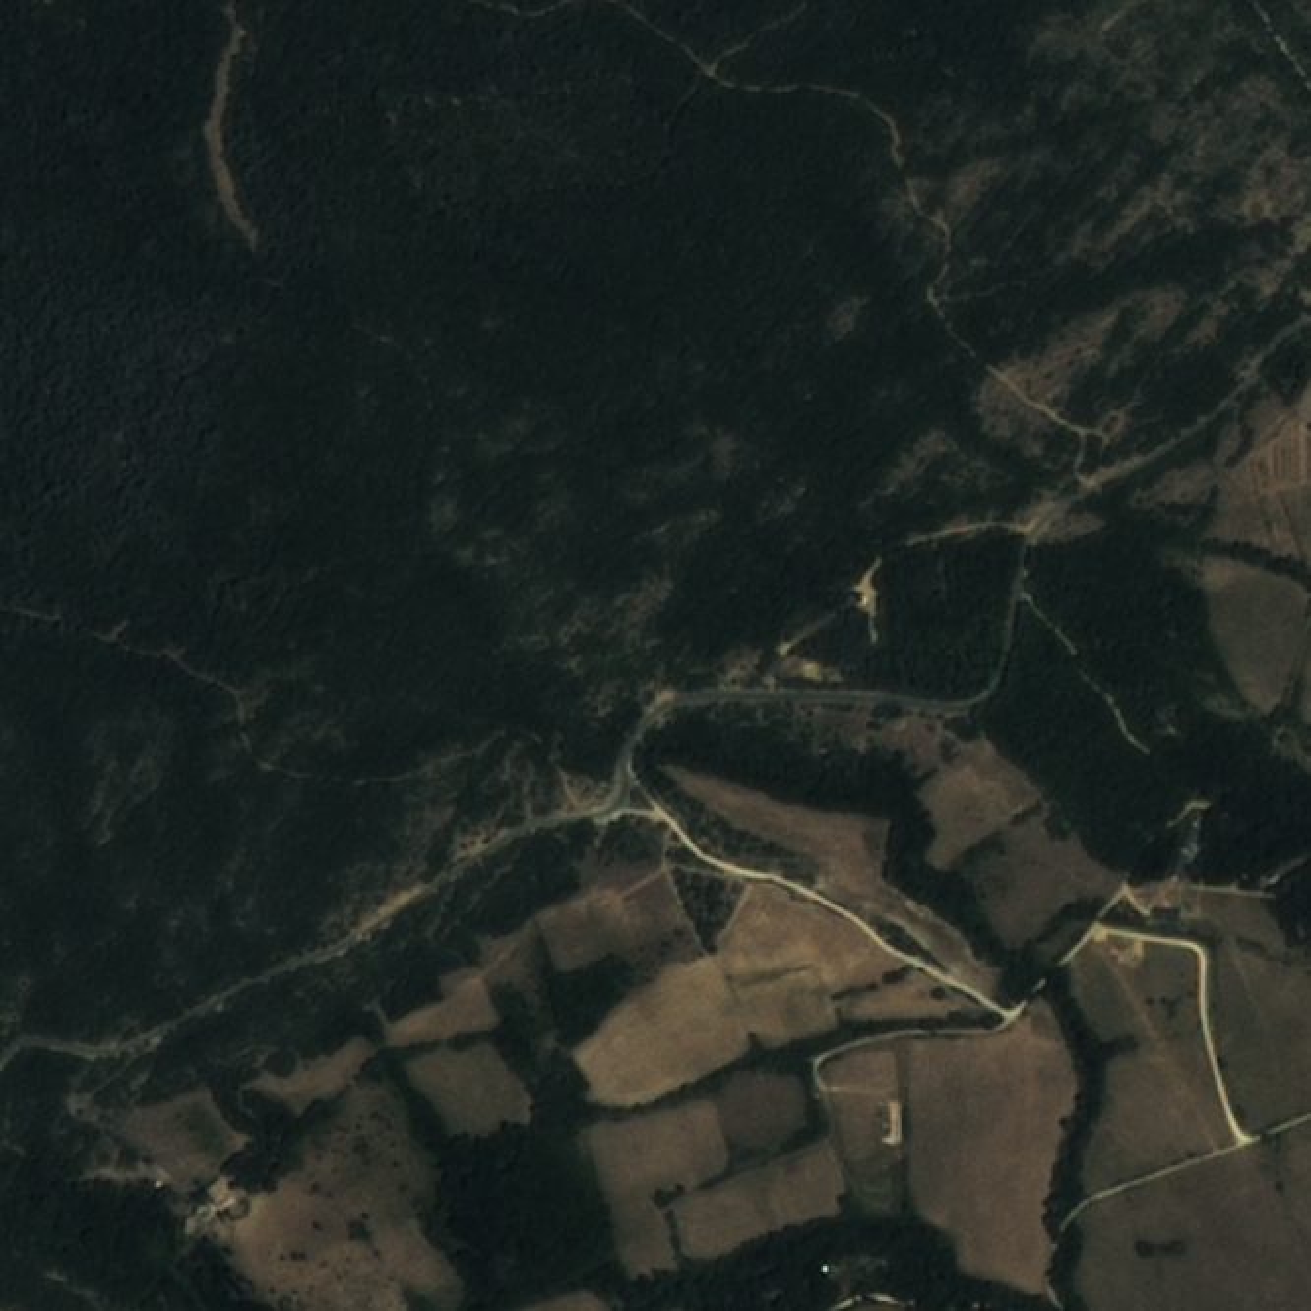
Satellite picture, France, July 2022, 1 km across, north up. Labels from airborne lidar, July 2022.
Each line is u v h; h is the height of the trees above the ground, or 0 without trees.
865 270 10
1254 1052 0
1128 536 6
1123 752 11
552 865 7
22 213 6
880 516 8
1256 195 0
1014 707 11
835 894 0
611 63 7
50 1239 8
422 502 10
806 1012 0
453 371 7
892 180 6
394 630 8
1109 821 12
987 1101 0
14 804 6
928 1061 0
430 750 5
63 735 10
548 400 9
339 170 9
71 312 17
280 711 7
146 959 7
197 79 9
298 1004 6
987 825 0
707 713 6
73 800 6
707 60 7
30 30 9
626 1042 0
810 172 11
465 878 7
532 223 11
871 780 8
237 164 7
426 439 7
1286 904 10
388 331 8
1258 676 0
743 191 12
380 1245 0
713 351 11
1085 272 8
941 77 9
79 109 12
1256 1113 0
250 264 9
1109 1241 0
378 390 6
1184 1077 0
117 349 15
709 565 8
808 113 9
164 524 18
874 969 0
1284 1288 0
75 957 8
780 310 9
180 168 7
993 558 12
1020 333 6
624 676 6
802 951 0
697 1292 14
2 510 8
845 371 7
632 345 8
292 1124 14
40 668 8
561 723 8
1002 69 6
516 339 11
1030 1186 0
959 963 0
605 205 8
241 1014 7
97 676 9
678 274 11
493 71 8
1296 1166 0
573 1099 8
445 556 6
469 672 8
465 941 6
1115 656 8
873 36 11
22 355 15
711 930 6
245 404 12
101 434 13
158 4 10
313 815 6
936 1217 0
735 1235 0
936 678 9
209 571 8
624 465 6
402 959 6
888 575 9
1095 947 0
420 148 6
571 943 0
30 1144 12
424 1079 0
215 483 9
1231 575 0
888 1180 0
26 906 9
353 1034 11
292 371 10
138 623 16
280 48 6
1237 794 12
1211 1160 0
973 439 9
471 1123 0
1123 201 7
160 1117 0
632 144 7
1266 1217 0
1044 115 8
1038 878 0
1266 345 11
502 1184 14
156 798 7
